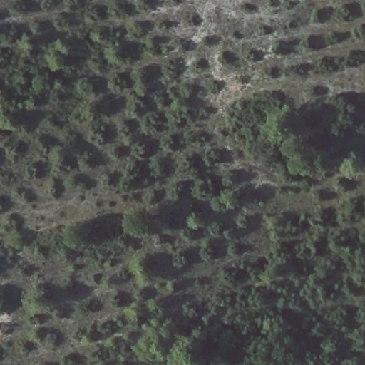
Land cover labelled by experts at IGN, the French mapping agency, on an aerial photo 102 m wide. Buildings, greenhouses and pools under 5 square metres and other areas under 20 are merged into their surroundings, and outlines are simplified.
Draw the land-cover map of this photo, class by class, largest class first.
<instances>
[{"label":"deciduous trees","instance_id":"1","mask_svg":"<svg viewBox=\"0 0 365 365\"><path fill-rule=\"evenodd\" d=\"M161 7L160 0H0V97L7 101H19L23 107L21 110L27 108L44 111V118L33 133H27L23 125H10L9 130L0 128V214L13 207L10 198V192L13 190L24 195L26 201H37V194L31 190V185L44 187V177L54 182L53 194L57 200L61 198L68 201L73 198L77 201L80 198V201L96 202L97 217L117 212L123 214V228L117 232V237L100 244L84 242L76 237V225H57L53 230L36 232V238L27 247L20 242L16 222L9 218V224H0V365H365V194L345 201L336 210L329 207L312 214L305 212L304 221L299 220V215L295 211L284 212L282 218L274 224L278 241L269 240L265 258H259L257 262L245 259L242 269L225 267L224 271L218 272V281L224 287L217 297H211L208 301V311L202 317L201 324L192 329L188 336L178 334L177 329L170 324L171 319L165 317L161 307L155 305L161 298L173 292V284L165 278L151 277L150 274L144 278L140 262L144 261L147 254L168 252L173 258L174 267L181 268L185 258L181 252L187 248H200L202 261L210 258L211 250L207 241L190 240L182 230H163L164 234L175 237L171 244L160 242L157 235L145 234L138 210L153 208L151 200L157 190H163L168 200H177L175 184L178 181L191 180L194 185L191 192L197 200L208 202L212 210L217 212L230 210L232 192L222 191V184H231V171H221L218 174V168L221 163H232L244 155L247 163L255 167L267 164L268 167H274L275 163L281 164L282 171H278L275 177L282 184L285 180L292 181L295 174L311 177L321 174L324 168L319 157L321 148L312 143L307 125L299 118H292L287 114L288 106L279 108V101L272 97V91L254 93L251 100H235L230 104L228 115L224 117L225 130H221V134L230 138L231 148L225 150L218 147L214 134L208 133L205 125L211 114L217 113V108L211 106L207 100L205 87L181 80L187 66L185 60L188 51L194 50L195 41L170 36L171 27L178 26L177 21L165 19L164 13H148ZM282 308L299 312L302 318L312 321V335L318 336L319 341L324 344L321 346V354H309L305 346L298 348L291 341L297 331L282 322ZM338 44L334 34L322 37L319 34H311L308 37V48L311 50H321ZM362 64L365 66V48L352 50L349 56L324 57L314 63H302L294 67L295 74L307 78L309 71L318 76H329L344 68L361 67ZM329 104L336 108L338 118L331 125V133L342 137L346 127L352 123L354 107L345 103L339 94H335Z\"/></svg>","mask_w":365,"mask_h":365},{"label":"herbaceous vegetation","instance_id":"2","mask_svg":"<svg viewBox=\"0 0 365 365\"><path fill-rule=\"evenodd\" d=\"M161 7L148 13H164L165 19L177 21L178 26L171 27L170 36L195 41L194 50L188 51L185 60L187 66L181 80L205 87L207 100L211 106L217 108V113L211 114L205 125L208 133L214 134L218 147L225 150L231 148L230 138L221 134V130H225L224 117L228 115L230 104L235 100H251L254 93L272 91V97L279 101V108L288 106L287 114L292 118H299L307 125L312 143L321 148L319 157L324 168L321 174L311 177L295 174L292 181L285 180L282 184L275 177L278 171H282L281 164L275 163L274 167H268L267 164L255 167L247 163L244 155L232 163H221L218 168V174L221 171H231V184H222V191L232 192L230 210L217 212L212 210L208 202L197 200L191 192L194 185L191 180L178 181L175 184L177 200H168L163 190H157L151 200L153 208L138 210L145 234L157 235L160 242L171 244L175 237L164 234L163 230H182L190 240L207 241L211 250L210 258L202 261L200 248H187L181 252L185 258L181 268L174 267L173 258L168 252L147 254L144 261L140 262L144 278L150 274L151 277L165 278L173 284V292L161 298L155 305L161 307L165 317L171 319L170 324L177 329L178 334L188 336L192 329L201 324L202 317L208 311V301L211 297H217L224 287L218 281V272L224 271L225 267L242 269L245 259L257 262L259 258H265L269 240L278 241L274 224L282 218L284 212L295 211L299 215V220L304 221L305 212L312 214L329 207L336 210L345 201L365 194V66L362 64L361 67L344 68L329 76H318L309 71L307 78L295 74L294 67L302 63H314L324 57L349 56L352 50L365 48V0H160ZM311 34H319L322 37L334 34L338 44L321 50H311L308 48V37ZM335 94H339L345 103L354 107L352 123L346 127L342 137L331 133V125L338 118L336 108L329 104ZM23 107L19 101H7L0 97V128L9 130L10 125H23L27 133H33L44 118V111L27 108L21 110ZM44 187L31 185V190L37 194V201H26L24 195L13 190L10 192V198L13 207L0 214V224H9V218L16 222L20 242L27 247L36 238V232L53 230L57 225H76V237L84 242L100 244L117 237V232L123 228V214L117 212L97 217L96 202L80 201V198L77 201L73 198L68 201L61 198L57 200L53 194L54 182L44 177ZM282 322L297 331L291 341L298 348L305 346L309 354H321V346L324 344L319 341L318 336L312 335V321L302 318L299 312L282 308Z\"/></svg>","mask_w":365,"mask_h":365}]
</instances>
